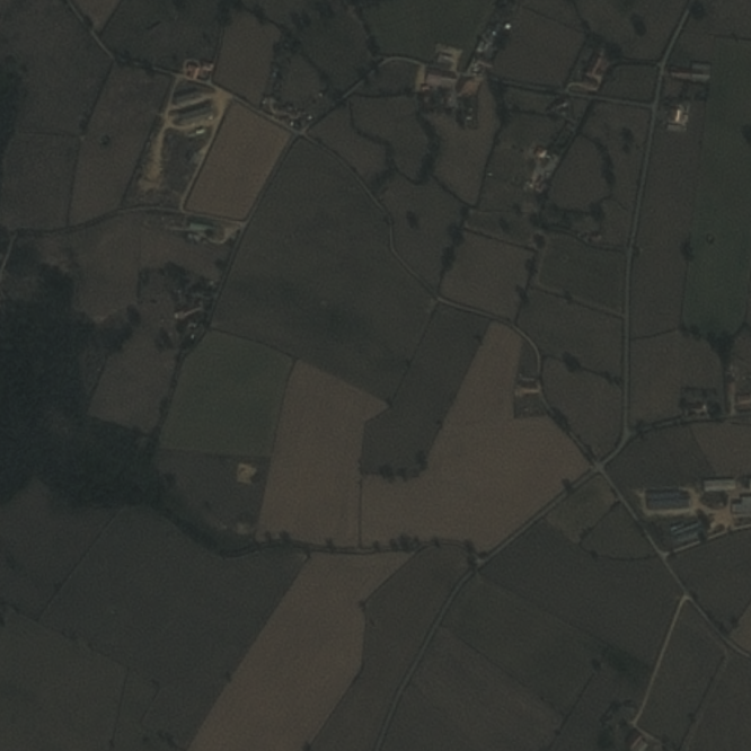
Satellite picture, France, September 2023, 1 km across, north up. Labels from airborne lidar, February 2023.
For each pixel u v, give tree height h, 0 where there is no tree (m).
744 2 0
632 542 0
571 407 0
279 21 0
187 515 0
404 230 0
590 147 0
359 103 0
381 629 0
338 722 0
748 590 0
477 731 0
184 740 0
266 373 0
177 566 0
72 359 8
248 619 0
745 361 0
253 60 0
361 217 0
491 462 0
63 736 0
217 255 0
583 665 0
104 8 0
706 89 6
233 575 0
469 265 0
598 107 0
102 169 0
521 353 0
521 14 0
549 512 0
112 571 0
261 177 0
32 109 0
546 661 0
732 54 0
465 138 0
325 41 0
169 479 13
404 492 0
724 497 0
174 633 0
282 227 0
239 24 0
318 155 0
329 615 0
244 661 0
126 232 0
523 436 0
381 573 0
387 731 0
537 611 0
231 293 0
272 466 0
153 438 10
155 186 0
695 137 0
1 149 7
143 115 0
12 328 23
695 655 0
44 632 0
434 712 0
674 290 0
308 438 0
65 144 0
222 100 0
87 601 0
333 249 0
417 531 0
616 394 0
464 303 0
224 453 0
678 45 0
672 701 0
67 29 0
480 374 0
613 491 7
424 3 0
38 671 0
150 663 0
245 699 0
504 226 14
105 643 0
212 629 0
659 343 0
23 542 0
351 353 0
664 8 0
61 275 12
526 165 0
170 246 0
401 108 0
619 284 0
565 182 0
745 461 0
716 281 0
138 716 0
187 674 0
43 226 0
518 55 0
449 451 0
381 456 0
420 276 0
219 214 0
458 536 0
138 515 0
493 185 0
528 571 0
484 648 0
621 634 0
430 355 0
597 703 0
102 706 0
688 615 0
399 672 0
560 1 0
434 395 0
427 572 0
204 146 0
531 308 0
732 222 0
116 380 0
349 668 0
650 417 0
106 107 0
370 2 12
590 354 0
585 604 0
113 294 0
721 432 0
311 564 0
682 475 0
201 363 0
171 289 0
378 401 0
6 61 7
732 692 0
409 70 0
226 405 0
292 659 0
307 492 0
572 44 0
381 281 0
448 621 0
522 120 0
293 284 0
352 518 0
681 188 0
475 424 0
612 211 0
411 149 0
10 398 18
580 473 0
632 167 0
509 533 0
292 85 0
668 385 0
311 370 0
